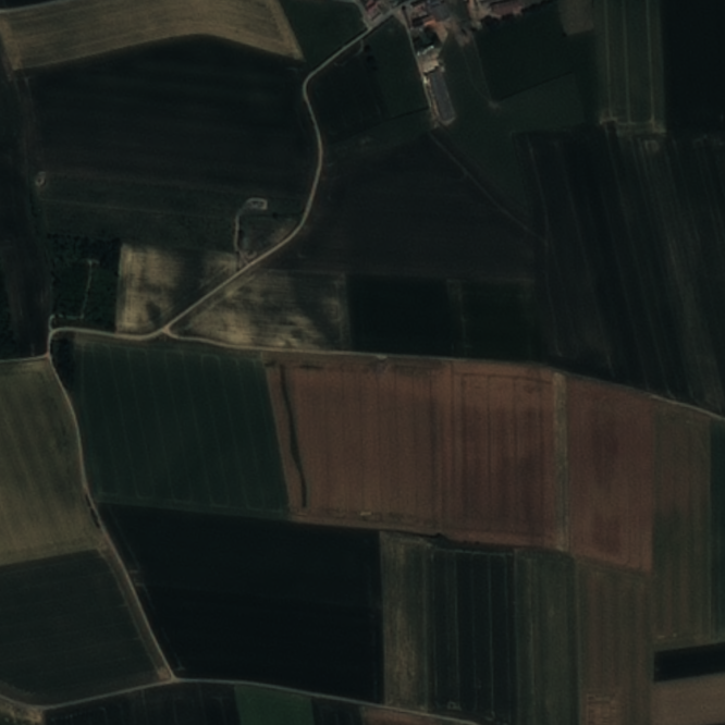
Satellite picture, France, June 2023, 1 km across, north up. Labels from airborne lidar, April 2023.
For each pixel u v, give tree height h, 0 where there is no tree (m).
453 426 0
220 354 0
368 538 0
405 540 0
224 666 0
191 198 0
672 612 0
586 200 0
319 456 0
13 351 11
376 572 0
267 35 0
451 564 0
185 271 0
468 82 0
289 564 0
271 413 0
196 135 0
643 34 0
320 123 0
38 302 0
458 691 0
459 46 0
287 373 0
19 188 0
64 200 0
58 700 0
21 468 0
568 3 0
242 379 0
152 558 0
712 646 0
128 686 0
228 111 0
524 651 0
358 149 0
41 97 0
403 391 0
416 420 0
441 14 0
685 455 0
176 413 0
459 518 0
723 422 0
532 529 0
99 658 0
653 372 0
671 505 0
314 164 0
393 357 0
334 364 0
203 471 0
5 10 0
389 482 0
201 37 0
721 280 0
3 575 0
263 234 0
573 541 0
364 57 0
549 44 0
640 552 0
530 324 0
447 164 0
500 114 0
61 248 8
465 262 0
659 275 0
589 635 0
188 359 0
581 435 0
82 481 0
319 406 0
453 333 0
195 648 0
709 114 0
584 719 0
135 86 0
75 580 0
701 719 0
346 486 0
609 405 0
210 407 0
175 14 0
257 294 0
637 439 0
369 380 0
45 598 0
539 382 0
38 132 0
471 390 0
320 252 0
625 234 0
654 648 0
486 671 0
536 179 0
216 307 0
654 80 0
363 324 0
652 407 0
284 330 0
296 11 0
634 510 0
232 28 0
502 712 0
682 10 0
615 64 0
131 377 0
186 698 0
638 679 0
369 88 0
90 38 0
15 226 0
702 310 0
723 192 0
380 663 0
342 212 0
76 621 0
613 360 0
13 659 0
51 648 0
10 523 0
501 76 0
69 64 0
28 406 0
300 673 0
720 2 0
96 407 0
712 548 0
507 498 0
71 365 10
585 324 0
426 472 0
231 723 0
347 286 0
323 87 0
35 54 0
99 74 0
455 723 0
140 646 0
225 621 0
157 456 0
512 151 0
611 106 0
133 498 0
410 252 0
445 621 0
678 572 0
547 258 0
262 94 0
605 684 0
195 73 0
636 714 0
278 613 0
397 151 0
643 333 0
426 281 0
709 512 0
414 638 0
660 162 0
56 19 0
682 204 0
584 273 0
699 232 0
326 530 0
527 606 0
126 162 0
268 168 0
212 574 0
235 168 0
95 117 0
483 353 0
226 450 0
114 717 0
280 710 0
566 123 0
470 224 0
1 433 0
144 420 0
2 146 0
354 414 0
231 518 0
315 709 0
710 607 0
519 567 0
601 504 0
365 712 0
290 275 0
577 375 0
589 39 0
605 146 0
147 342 0
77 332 0
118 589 0
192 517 0
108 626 0
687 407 0
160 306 0
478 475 0
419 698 0
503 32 0
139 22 0
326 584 0
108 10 0
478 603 0
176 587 0
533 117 0
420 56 0
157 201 0
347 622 0
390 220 0
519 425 0
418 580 0
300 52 0
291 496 0
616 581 0
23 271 0
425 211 0
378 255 0
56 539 0
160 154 0
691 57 0
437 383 0
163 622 0
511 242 0
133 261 0
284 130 0
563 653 0
